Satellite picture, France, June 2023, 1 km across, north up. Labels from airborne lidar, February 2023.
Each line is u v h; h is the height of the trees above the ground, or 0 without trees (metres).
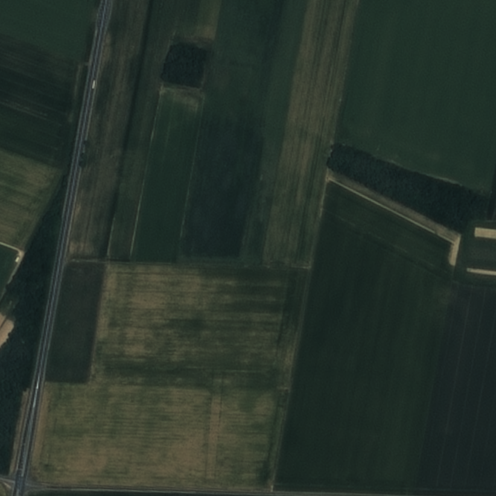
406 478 0
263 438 0
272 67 0
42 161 0
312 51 0
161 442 0
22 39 0
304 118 0
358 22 0
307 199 0
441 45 0
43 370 0
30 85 0
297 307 0
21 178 0
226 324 0
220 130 0
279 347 0
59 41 0
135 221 0
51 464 0
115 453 0
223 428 0
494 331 0
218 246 0
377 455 0
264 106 0
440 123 0
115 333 0
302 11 0
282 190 0
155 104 0
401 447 0
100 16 0
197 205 0
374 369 0
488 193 0
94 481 0
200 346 0
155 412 0
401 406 0
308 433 0
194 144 0
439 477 0
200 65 9
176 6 0
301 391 0
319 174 0
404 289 0
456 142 0
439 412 0
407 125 0
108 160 0
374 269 0
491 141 0
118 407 0
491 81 0
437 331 0
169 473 0
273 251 0
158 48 0
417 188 11
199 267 0
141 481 0
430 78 0
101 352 0
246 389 0
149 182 0
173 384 0
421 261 0
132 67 0
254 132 0
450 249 0
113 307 0
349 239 0
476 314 0
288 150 0
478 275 0
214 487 0
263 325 0
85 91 0
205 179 0
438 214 11
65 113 0
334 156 15
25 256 7
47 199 0
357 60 0
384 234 0
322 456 0
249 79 0
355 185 0
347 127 0
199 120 0
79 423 0
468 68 0
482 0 0
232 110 0
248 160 0
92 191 0
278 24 0
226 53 0
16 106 0
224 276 0
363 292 0
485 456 0
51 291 0
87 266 0
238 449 0
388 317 0
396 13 0
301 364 0
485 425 0
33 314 7
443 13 0
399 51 0
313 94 0
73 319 0
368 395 0
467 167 0
